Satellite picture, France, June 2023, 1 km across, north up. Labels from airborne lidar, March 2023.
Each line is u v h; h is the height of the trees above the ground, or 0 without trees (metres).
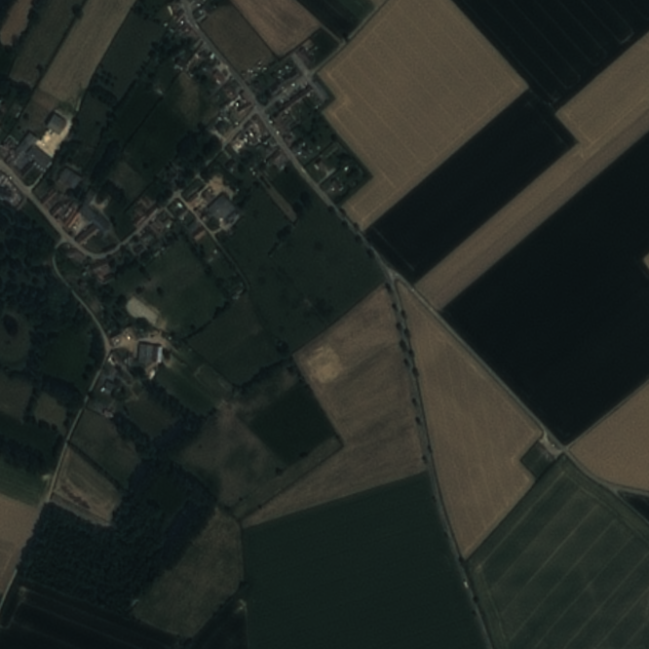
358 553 0
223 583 0
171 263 0
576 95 0
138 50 0
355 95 0
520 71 0
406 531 0
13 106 0
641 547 0
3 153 0
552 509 0
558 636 0
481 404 0
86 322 11
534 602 0
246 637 0
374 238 0
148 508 25
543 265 0
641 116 0
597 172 0
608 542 0
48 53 0
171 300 0
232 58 0
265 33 0
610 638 0
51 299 27
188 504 0
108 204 0
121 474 0
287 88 0
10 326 25
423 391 0
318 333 0
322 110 0
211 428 0
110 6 0
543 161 0
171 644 0
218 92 0
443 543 0
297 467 0
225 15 0
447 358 0
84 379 10
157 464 31
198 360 0
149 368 0
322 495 0
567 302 0
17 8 0
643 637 0
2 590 0
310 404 0
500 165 0
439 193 0
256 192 0
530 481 0
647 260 0
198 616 0
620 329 0
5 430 0
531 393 0
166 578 0
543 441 0
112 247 14
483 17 0
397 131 0
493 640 0
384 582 0
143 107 0
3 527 0
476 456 0
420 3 0
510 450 0
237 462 0
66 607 0
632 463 0
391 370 0
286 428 0
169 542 29
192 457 0
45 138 0
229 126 0
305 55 0
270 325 0
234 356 0
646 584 0
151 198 0
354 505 0
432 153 0
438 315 0
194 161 19
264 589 0
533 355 0
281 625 0
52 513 20
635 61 0
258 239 0
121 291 0
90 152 0
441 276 0
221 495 0
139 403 0
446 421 0
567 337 0
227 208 0
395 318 0
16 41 16
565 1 0
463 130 0
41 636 0
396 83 0
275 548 0
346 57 0
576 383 0
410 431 0
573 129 0
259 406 0
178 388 0
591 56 0
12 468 0
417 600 0
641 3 0
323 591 0
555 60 0
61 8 0
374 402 0
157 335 0
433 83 0
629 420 0
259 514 0
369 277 0
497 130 0
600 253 0
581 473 0
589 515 0
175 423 0
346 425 0
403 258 0
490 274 0
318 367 0
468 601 0
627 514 0
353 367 0
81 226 0
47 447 0
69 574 13
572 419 0
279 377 0
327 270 0
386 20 0
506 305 0
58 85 0
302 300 0
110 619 0
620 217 0
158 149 0
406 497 0
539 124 0
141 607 0
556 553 0
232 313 0
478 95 0
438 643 0
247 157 10
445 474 0
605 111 0
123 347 0
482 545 0
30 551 14
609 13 0
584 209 0
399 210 0
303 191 0
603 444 0
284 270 0
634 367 0
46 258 0
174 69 0
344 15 0
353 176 6
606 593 0
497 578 0
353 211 0
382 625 0
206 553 0
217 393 0
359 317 0
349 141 0
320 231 0
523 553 0
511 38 0
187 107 0
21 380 7
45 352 24
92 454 0
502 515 0
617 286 0
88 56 0
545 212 0
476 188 0
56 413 0
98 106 0
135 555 25
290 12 0
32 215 0
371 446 0
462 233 0
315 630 0
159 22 6
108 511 0
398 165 0
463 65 0
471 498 0
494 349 0
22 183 0
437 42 0
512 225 0
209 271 14
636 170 0
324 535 0
